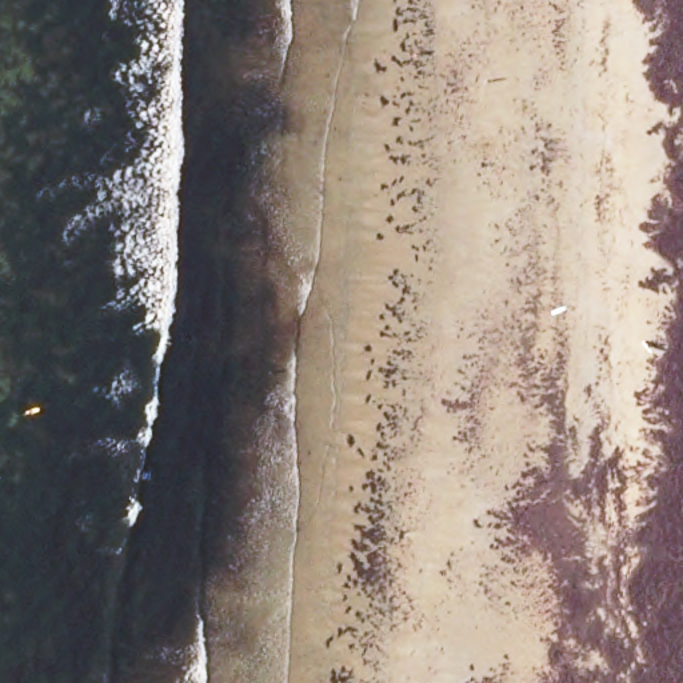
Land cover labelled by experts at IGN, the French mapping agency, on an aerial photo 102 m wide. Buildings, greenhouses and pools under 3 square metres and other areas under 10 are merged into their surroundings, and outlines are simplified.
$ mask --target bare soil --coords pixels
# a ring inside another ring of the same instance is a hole
[[[288,184],[296,211],[288,213],[285,235],[280,237],[280,243],[293,272],[299,275],[299,315],[304,328],[301,352],[288,358],[285,384],[275,387],[267,395],[269,406],[264,432],[259,435],[261,496],[251,502],[243,515],[248,531],[245,544],[259,552],[256,568],[245,571],[248,590],[243,590],[243,616],[253,622],[259,640],[253,651],[240,654],[221,667],[224,683],[683,683],[683,0],[261,0],[256,5],[256,29],[251,32],[245,45],[229,45],[229,59],[232,67],[240,72],[240,80],[267,80],[269,93],[291,109],[291,131],[285,136],[285,144]]]

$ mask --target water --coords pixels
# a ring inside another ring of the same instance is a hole
[[[256,5],[261,0],[0,0],[0,683],[224,683],[221,667],[240,654],[253,651],[259,640],[253,622],[243,616],[243,590],[248,590],[245,571],[256,568],[259,552],[245,544],[248,531],[243,515],[251,502],[261,496],[259,435],[264,432],[269,406],[267,395],[275,387],[285,384],[288,358],[301,352],[304,328],[299,315],[299,275],[293,272],[280,243],[280,237],[285,235],[288,213],[296,211],[288,184],[285,144],[285,136],[291,131],[291,109],[269,93],[267,80],[240,80],[240,72],[232,67],[229,59],[229,45],[245,45],[251,32],[256,29]]]

